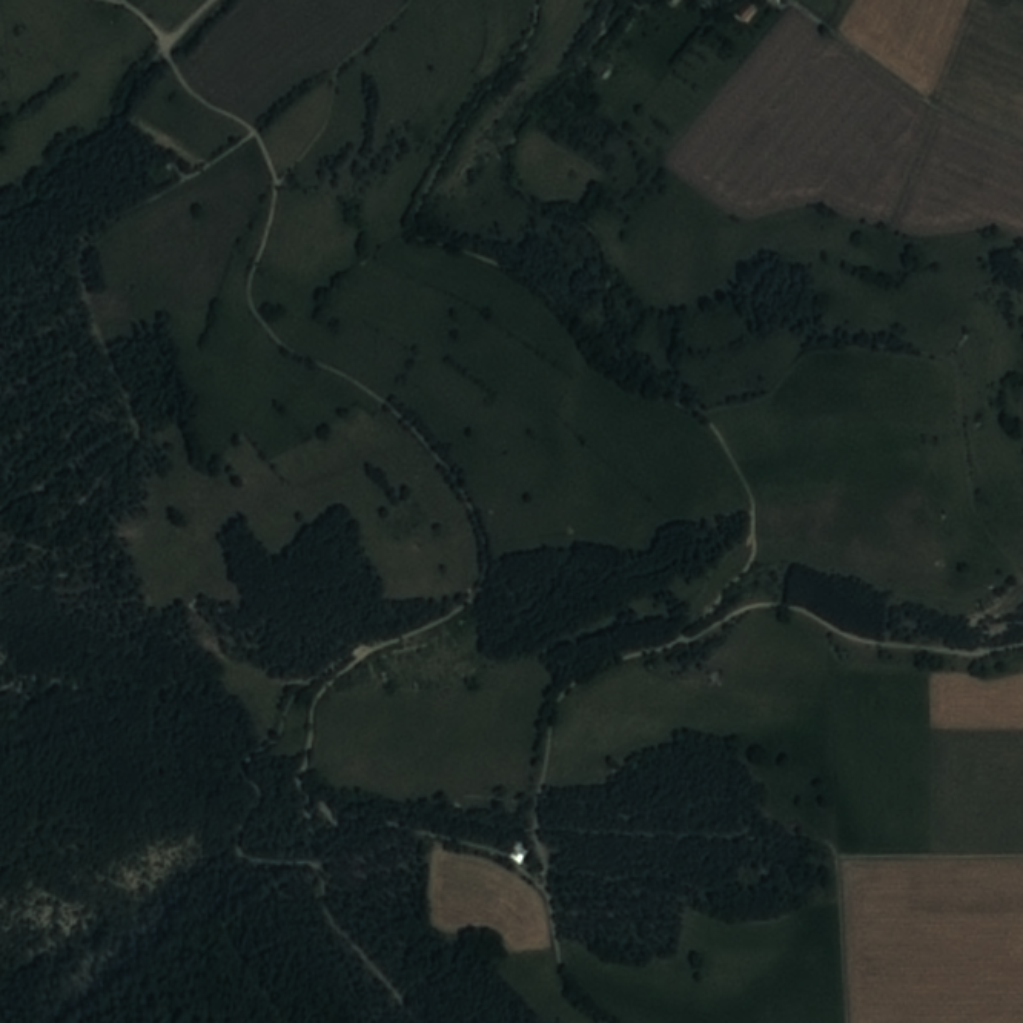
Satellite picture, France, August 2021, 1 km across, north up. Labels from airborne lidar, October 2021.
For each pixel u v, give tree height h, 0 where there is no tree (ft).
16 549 38
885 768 0
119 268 0
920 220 0
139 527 0
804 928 0
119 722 50
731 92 0
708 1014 0
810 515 0
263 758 30
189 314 0
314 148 0
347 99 0
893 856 0
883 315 0
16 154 0
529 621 57
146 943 45
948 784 0
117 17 0
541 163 0
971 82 0
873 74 0
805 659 0
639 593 53
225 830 38
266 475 0
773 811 0
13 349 51
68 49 0
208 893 38
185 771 61
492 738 0
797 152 0
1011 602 0
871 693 0
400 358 0
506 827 22
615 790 51
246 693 0
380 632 42
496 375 0
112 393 57
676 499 0
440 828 55
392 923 63
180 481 0
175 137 0
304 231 0
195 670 61
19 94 0
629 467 0
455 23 0
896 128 0
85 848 71
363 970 48
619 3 48
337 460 0
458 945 36
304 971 52
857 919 0
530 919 0
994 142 0
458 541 0
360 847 50
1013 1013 0
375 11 0
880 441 0
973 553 0
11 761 50
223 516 0
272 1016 61
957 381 0
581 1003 46
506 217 0
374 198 0
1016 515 0
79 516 43
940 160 0
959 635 43
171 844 23
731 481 0
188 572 0
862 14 0
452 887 0
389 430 0
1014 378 37
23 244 48
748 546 0
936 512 0
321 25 0
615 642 69
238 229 0
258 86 0
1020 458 0
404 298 0
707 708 0
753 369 0
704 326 0
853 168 0
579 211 46
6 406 58
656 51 0
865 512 0
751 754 42
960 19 0
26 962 25
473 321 0
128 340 25
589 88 23
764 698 0
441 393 0
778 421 0
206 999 48
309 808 42
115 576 39
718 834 23
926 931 0
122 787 70
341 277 37
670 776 33
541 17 20
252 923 53
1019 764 0
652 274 0
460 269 0
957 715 0
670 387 31
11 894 26
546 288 31
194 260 0
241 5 0
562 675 57
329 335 0
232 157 0
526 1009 31
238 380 0
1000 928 0
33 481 66
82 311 60
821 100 0
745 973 0
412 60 0
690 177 0
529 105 32
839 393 0
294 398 0
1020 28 0
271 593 52
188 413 78
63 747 59
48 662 88
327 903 62
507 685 0
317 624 44
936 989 0
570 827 34
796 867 45
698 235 0
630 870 34
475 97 27
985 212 0
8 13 0
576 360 0
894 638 31
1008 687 0
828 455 0
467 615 18
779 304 42
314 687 26
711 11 36
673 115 0
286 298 0
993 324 0
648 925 62
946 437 0
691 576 37
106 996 59
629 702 0
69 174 34
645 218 0
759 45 0
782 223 0
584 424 0
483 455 0
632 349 23
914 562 0
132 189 50
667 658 22
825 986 0
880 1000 0
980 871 0
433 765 0
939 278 0
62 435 40
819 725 0
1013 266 44
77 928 32
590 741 0
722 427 0
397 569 0
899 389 0
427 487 0
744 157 0
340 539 56
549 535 0
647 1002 0
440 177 22
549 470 0
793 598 44
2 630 65
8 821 66
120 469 66
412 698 0
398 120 0
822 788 41
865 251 0
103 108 0
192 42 20
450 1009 67
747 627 0
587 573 63
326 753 0
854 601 52
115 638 50
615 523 0
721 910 32
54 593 31
